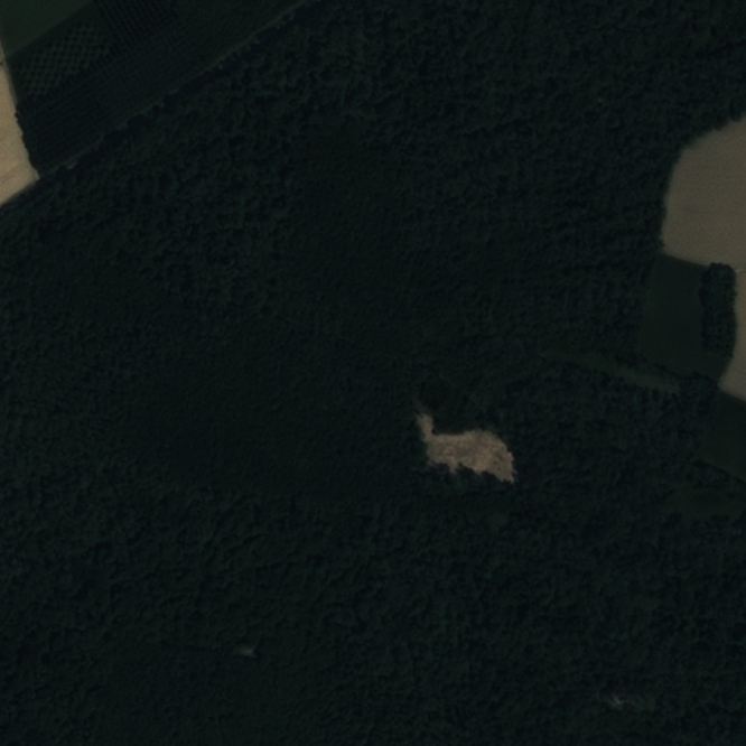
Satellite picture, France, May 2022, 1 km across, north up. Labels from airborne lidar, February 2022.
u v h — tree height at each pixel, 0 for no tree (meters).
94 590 26
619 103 26
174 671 21
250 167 30
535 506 31
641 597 30
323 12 30
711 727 29
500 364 23
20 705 21
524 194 24
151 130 27
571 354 0
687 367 0
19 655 22
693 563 29
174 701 21
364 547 27
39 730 21
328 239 21
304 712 20
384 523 21
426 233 21
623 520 34
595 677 27
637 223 19
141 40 24
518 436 18
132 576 29
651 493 29
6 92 0
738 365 0
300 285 18
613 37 27
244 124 25
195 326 22
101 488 34
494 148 28
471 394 8
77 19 0
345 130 31
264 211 26
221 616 20
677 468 20
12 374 28
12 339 30
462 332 17
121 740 20
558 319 24
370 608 26
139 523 14
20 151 0
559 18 24
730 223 0
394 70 27
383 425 19
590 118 27
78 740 19
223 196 30
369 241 19
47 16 0
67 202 26
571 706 25
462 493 14
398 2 27
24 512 30
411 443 29
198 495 20
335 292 18
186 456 22
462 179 27
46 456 24
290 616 19
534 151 26
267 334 18
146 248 25
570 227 18
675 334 0
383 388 20
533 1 24
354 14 32
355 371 19
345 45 34
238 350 19
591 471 26
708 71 25
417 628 32
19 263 26
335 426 23
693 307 0
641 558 26
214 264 28
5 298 24
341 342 17
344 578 24
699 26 0
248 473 20
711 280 19
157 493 24
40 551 30
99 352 22
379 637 23
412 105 21
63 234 25
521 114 26
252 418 17
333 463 23
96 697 19
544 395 30
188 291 31
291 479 21
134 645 20
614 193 32
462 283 27
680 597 27
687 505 0
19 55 0
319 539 26
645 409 30
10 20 0
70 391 23
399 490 20
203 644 18
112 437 19
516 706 27
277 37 25
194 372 22
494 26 24
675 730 31
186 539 20
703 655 27
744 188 0
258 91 27
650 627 28
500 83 27
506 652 27
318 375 21
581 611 27
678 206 0
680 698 26
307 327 8
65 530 28
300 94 28
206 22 0
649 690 28
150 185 28
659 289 0
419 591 28
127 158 25
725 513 0
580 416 23
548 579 29
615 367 0
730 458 0
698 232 0
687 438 29
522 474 32
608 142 20
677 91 30
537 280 19
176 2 20
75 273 21
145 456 21
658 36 22
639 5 9
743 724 25
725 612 26
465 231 27
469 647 24
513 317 22
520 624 25
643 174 6
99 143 0
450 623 25
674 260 0
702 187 0
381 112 29
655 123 24
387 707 13
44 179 0
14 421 30
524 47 25
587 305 25
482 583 27
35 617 22
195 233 27
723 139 0
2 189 0
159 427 18
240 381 17
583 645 27
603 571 29
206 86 21
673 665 26
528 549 25
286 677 20
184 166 29
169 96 0
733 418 0
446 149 30
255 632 19
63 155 28
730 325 13
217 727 19
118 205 27
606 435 28
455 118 31
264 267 26
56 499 26
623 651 29
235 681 20
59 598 25
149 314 19
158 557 22
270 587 22
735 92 14
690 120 24
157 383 22
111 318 19
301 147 18
